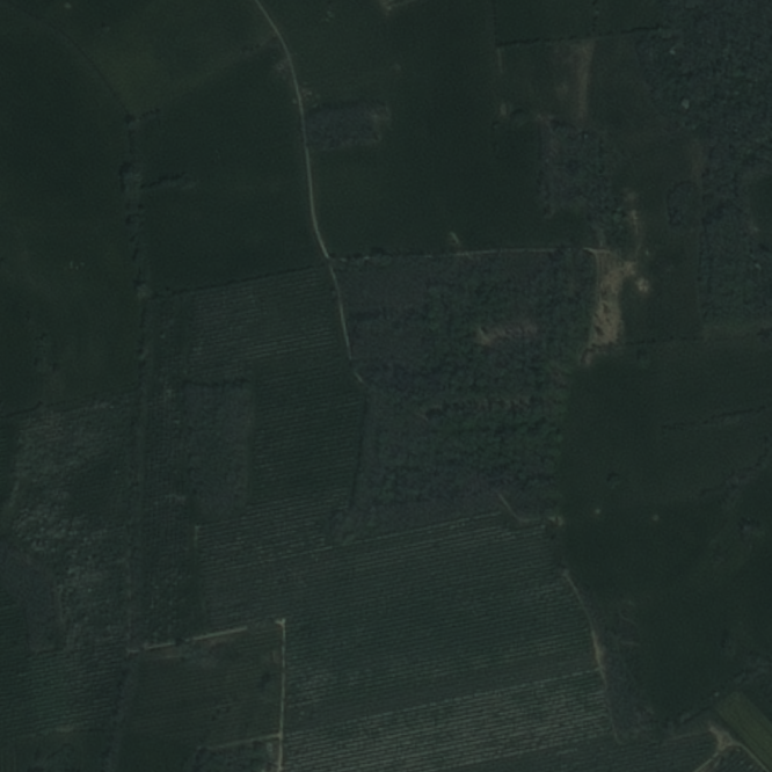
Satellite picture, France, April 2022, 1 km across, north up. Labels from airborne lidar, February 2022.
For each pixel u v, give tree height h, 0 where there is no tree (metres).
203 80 0
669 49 6
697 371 0
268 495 0
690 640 0
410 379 23
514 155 0
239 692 0
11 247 0
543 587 5
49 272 0
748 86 9
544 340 14
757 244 21
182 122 0
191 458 8
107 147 0
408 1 0
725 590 0
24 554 17
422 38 0
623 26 0
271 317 0
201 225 0
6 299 0
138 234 10
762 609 0
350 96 0
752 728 0
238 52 0
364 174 0
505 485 17
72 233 0
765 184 0
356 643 6
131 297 0
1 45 0
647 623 0
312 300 0
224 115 0
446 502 23
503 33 0
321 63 0
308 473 0
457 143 0
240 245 0
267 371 0
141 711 0
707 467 0
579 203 25
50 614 24
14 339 0
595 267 23
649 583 0
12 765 0
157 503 8
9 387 0
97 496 0
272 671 0
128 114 0
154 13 0
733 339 0
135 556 7
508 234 0
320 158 0
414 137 0
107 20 0
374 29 0
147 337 7
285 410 0
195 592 0
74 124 0
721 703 0
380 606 6
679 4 18
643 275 0
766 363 0
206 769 22
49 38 0
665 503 0
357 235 0
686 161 0
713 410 0
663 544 0
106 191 0
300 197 0
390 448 24
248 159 0
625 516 0
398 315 19
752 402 0
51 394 0
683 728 12
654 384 0
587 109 0
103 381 0
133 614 9
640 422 0
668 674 0
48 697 8
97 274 0
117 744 16
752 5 28
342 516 18
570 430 0
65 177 0
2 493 0
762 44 23
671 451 0
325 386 0
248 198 0
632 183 0
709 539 0
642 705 23
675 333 0
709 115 16
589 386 0
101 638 5
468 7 0
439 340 21
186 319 0
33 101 0
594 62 0
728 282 28
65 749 6
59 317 0
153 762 0
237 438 17
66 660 6
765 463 9
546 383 27
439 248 0
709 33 21
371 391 16
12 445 0
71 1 0
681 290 0
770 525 0
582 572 0
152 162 0
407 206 0
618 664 20
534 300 22
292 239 0
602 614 14
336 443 0
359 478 12
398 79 0
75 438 7
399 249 0
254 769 10
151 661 0
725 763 7
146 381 11
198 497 12
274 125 0
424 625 7
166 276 0
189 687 0
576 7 0
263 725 0
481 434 20
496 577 6
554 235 0
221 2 0
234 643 0
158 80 0
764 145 18
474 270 22
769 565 0
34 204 0
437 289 21
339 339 0
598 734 6
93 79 0
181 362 6
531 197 0
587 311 22
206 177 0
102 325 0
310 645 6
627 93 0
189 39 0
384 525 22
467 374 23
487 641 5
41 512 8
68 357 0
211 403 15
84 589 7
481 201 0
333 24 0
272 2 0
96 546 7
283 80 0
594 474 0
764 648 0
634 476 0
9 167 0
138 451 13
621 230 16
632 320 0
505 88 0
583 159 25
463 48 0
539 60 0
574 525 0
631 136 0
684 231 23
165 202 0
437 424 21
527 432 24
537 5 0
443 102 0
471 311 13
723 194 19
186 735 0
